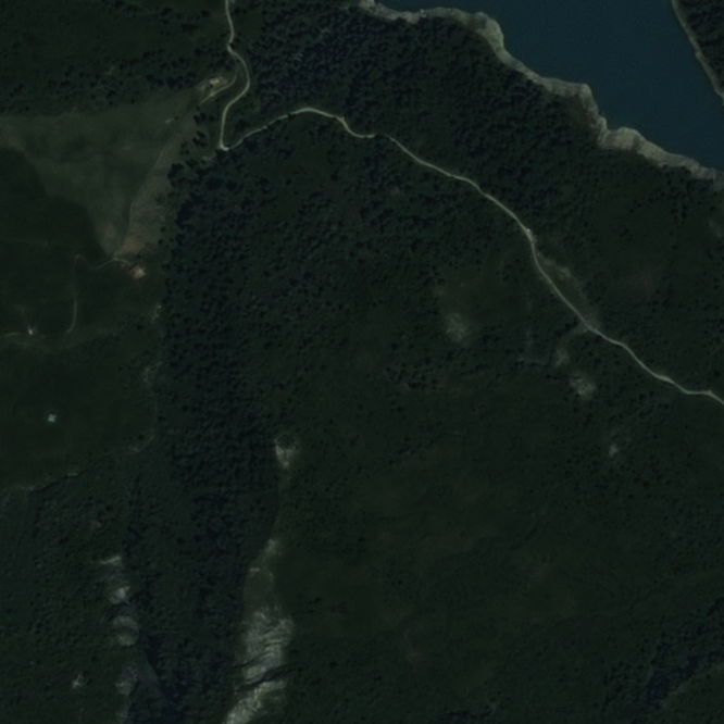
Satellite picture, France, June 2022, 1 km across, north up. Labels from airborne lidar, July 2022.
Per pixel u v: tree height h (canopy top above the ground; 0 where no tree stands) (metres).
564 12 0
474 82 10
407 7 0
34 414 0
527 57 0
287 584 0
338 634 0
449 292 0
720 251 7
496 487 0
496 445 0
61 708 0
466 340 0
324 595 0
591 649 0
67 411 0
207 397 7
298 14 23
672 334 0
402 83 19
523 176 12
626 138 0
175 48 0
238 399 10
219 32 0
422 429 7
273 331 11
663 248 0
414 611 0
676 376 0
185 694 17
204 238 8
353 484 0
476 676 0
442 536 0
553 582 0
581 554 0
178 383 8
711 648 6
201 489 14
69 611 10
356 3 9
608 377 6
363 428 0
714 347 7
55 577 6
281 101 23
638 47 0
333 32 14
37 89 6
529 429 0
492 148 17
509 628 0
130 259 0
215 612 6
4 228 0
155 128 0
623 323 7
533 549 0
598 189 8
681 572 13
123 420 0
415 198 20
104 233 0
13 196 0
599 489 9
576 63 0
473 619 0
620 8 0
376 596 0
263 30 6
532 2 0
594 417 9
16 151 0
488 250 8
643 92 0
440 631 0
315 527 7
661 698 7
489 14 0
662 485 9
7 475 0
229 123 8
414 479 0
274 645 0
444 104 7
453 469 0
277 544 0
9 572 6
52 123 0
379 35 26
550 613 0
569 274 0
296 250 6
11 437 0
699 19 23
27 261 0
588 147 8
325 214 8
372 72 28
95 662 14
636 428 6
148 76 7
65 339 0
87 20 0
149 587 11
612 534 0
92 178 0
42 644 6
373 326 0
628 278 0
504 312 0
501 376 9
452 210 22
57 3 0
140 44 0
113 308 0
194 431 7
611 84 0
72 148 0
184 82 9
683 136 0
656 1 0
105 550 6
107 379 0
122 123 0
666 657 9
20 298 0
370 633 0
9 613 11
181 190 10
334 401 0
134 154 0
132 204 0
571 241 7
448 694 0
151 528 7
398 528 0
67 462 6
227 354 6
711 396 0
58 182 0
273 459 7
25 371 0
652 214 0
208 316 13
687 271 0
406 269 7
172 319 6
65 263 0
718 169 0
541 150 16
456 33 16
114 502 8
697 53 0
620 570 0
